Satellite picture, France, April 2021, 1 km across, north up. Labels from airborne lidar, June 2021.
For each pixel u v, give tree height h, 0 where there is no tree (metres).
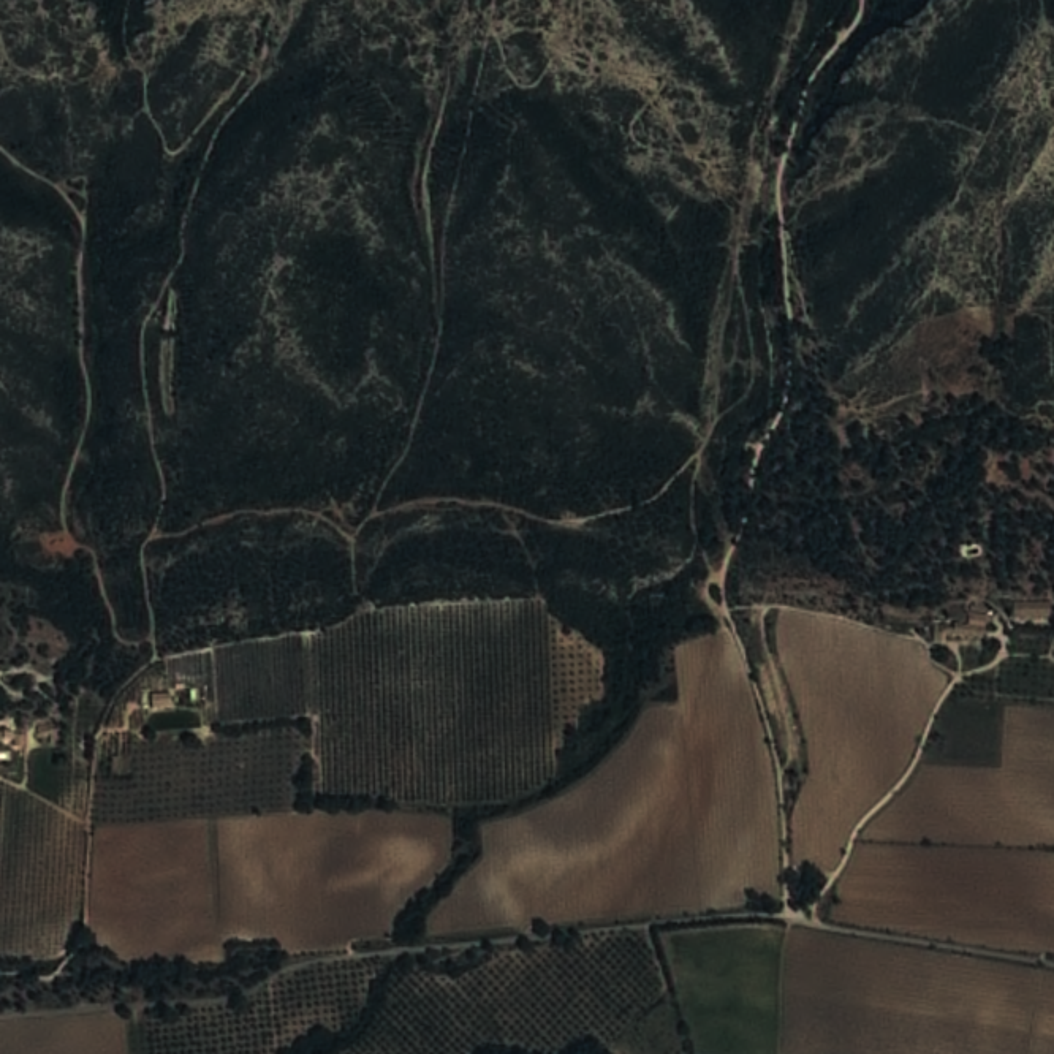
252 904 0
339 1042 7
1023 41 0
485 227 0
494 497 6
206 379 0
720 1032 0
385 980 5
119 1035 0
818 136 13
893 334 0
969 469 15
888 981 0
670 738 0
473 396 0
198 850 0
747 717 0
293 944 0
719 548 10
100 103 0
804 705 0
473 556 6
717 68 0
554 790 7
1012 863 0
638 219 6
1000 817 0
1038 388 0
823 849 0
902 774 0
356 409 0
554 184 0
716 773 0
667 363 0
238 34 0
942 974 0
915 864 0
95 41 0
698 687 0
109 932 0
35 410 0
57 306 0
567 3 0
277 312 0
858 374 0
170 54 0
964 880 0
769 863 0
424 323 0
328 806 15
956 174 0
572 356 0
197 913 0
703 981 0
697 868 0
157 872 0
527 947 11
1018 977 0
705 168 0
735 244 0
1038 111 0
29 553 0
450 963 6
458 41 0
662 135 0
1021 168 0
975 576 13
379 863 0
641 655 8
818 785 0
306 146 0
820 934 0
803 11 0
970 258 0
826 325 0
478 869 0
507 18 0
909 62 0
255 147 0
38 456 0
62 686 8
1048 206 0
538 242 0
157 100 0
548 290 0
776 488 14
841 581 10
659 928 8
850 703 0
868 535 14
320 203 0
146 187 0
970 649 9
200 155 8
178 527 6
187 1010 13
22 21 0
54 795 0
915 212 0
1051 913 0
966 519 12
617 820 0
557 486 6
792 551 12
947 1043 0
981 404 13
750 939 0
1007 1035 0
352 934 0
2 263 0
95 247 7
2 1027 0
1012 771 0
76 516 0
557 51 0
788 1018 0
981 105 0
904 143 0
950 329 0
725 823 0
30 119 0
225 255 0
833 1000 0
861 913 0
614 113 0
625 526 11
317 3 0
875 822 0
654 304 0
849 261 0
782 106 6
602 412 0
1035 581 10
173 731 0
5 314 0
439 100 0
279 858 0
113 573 0
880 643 0
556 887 0
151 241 8
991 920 0
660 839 0
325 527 0
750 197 0
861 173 0
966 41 0
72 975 9
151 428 0
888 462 15
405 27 0
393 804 7
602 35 0
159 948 0
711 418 0
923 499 11
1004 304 0
